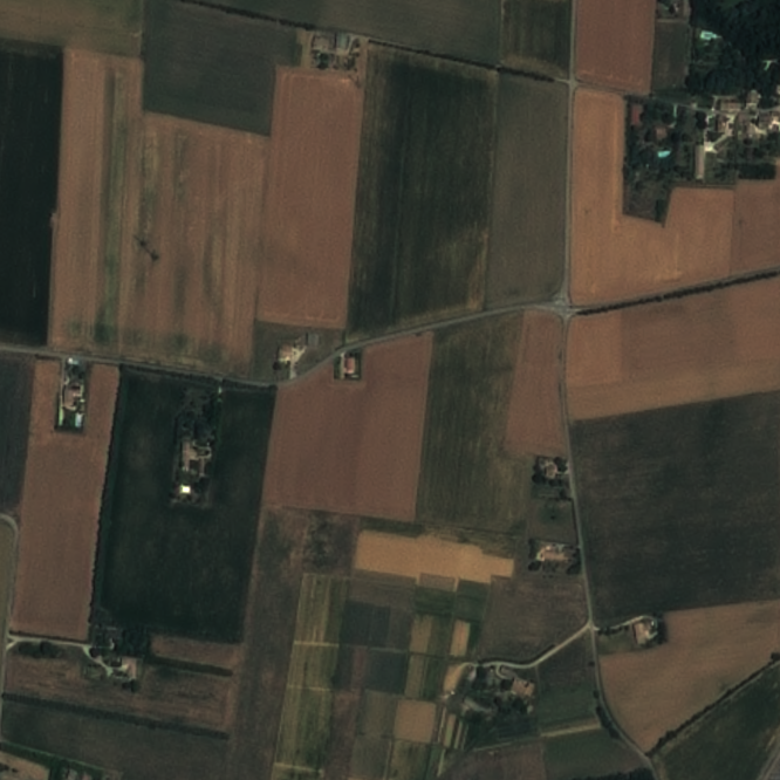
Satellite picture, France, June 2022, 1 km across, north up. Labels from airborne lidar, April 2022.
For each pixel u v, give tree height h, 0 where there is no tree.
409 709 0
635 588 0
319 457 0
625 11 0
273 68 0
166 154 0
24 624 0
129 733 0
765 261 0
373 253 0
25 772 0
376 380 0
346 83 0
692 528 0
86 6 0
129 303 0
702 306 0
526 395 0
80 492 0
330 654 0
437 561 0
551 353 0
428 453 0
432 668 0
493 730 0
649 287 0
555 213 0
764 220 0
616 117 0
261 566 0
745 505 0
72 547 0
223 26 0
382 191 0
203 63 0
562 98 0
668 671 0
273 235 0
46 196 0
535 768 0
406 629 0
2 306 0
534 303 0
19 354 0
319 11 0
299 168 0
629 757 0
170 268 0
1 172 0
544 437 0
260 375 0
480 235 0
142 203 0
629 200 0
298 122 0
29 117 0
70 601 0
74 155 0
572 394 0
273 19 7
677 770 0
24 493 0
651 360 0
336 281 0
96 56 0
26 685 0
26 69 0
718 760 0
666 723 0
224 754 0
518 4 0
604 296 0
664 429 0
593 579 0
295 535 0
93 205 0
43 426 0
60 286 0
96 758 0
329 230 0
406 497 0
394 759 0
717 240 0
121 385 9
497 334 0
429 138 0
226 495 0
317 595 0
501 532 0
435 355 0
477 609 0
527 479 0
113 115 0
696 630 0
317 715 0
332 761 0
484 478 0
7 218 0
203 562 0
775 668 0
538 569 10
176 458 0
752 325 0
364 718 0
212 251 0
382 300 0
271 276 0
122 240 0
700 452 0
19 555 0
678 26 0
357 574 0
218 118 0
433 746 0
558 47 0
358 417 0
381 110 0
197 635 7
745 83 17
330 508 0
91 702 0
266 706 0
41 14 0
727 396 0
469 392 0
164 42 0
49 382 0
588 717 0
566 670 0
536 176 0
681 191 0
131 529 0
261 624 0
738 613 0
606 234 0
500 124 0
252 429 0
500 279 0
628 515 0
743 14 19
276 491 0
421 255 0
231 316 0
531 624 0
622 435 0
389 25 0
